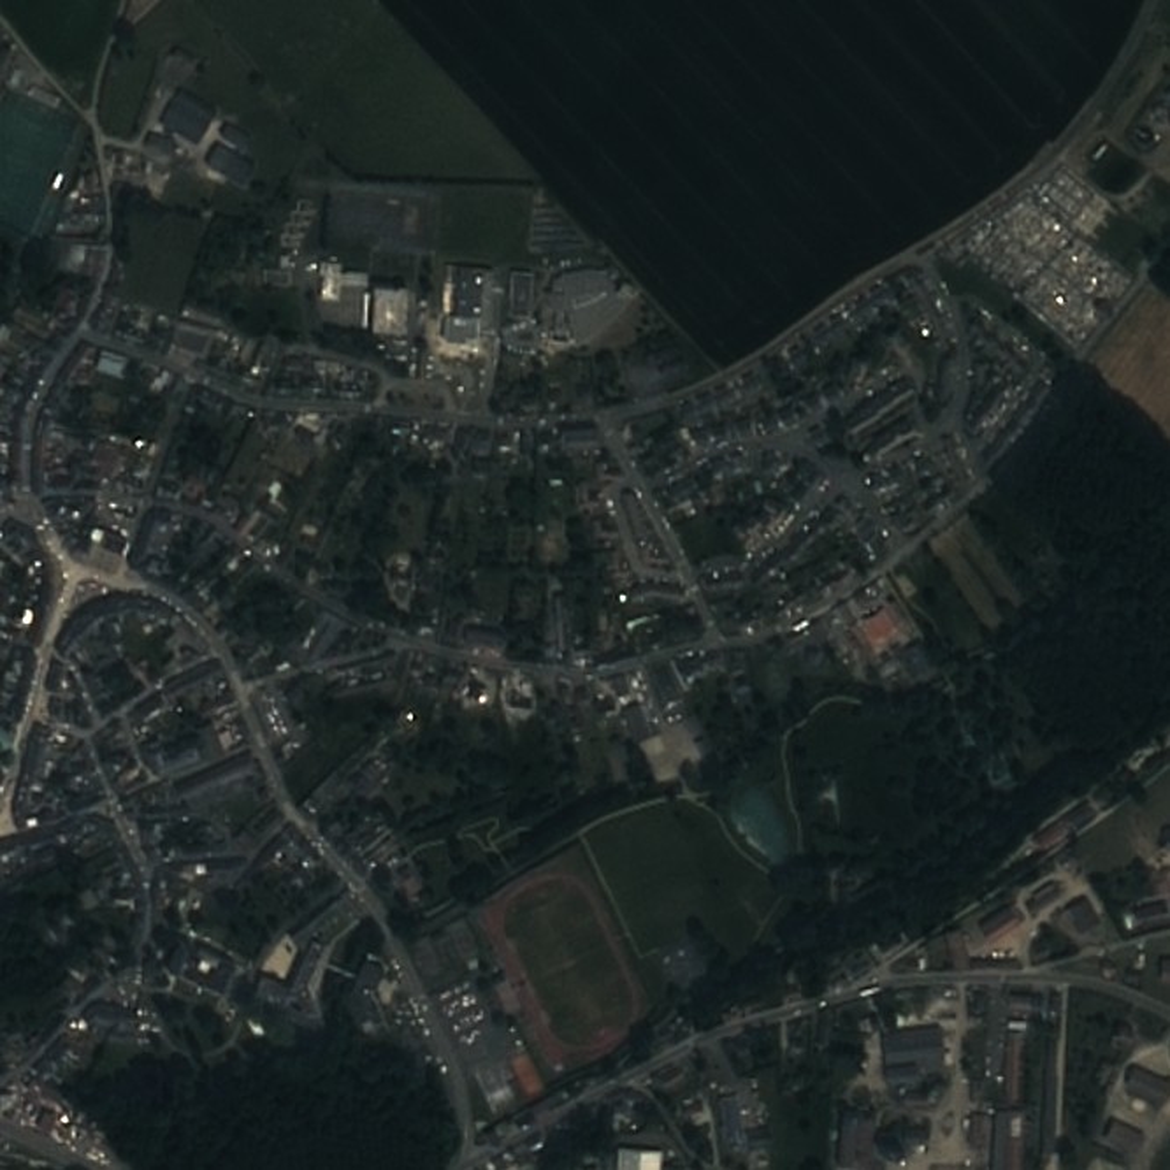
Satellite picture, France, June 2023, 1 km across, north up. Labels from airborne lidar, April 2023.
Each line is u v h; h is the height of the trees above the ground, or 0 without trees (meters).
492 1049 0
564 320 0
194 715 7
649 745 0
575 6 0
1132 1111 0
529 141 0
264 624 18
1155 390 0
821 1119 0
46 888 0
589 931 0
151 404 10
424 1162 21
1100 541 14
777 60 0
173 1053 0
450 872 0
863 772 0
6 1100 0
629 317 0
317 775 0
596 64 0
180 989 0
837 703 0
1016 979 0
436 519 7
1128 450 8
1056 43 0
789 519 0
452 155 0
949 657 20
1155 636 33
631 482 0
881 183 0
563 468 11
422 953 0
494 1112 0
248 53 0
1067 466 31
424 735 0
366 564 15
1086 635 39
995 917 0
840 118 0
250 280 0
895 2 0
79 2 0
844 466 0
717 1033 0
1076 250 0
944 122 0
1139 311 0
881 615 0
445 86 0
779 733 10
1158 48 0
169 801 0
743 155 0
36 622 0
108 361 0
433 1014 0
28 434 0
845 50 0
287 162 0
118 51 11
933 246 0
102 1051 7
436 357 0
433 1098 14
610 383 8
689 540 0
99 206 0
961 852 22
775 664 0
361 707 0
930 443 0
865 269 0
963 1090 0
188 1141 21
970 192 0
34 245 15
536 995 0
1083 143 0
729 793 11
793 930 23
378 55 0
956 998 0
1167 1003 0
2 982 17
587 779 0
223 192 0
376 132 0
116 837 0
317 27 0
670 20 0
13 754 12
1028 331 0
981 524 15
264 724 0
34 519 0
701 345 0
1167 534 20
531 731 0
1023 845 0
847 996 0
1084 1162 0
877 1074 0
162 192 0
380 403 0
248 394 0
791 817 0
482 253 0
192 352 0
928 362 0
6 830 0
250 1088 25
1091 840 0
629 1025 0
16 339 0
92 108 0
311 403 0
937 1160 0
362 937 15
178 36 0
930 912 0
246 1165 20
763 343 0
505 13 0
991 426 0
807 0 0
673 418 7
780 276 0
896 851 8
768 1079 0
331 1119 27
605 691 0
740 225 0
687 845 0
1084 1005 0
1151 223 0
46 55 0
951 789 17
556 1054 0
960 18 0
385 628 0
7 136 0
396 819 11
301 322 0
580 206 0
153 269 0
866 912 19
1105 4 0
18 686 0
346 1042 23
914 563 0
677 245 0
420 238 0
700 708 17
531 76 0
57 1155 0
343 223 0
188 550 12
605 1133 18
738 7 0
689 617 13
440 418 0
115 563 0
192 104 0
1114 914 8
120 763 0
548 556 0
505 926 0
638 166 0
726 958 14
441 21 0
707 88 0
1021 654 33
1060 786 16
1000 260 0
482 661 0
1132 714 28
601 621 0
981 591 0
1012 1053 0
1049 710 22
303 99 0
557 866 0
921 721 18
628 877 0
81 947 20
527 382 8
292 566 6
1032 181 0
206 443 12
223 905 11
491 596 0
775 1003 0
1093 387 29
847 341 0
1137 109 0
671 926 0
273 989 0
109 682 19
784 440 0
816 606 0
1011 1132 0
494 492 0
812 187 0
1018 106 0
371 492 8
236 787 0
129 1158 6
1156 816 0
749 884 0
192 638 0
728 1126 0
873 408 0
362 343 8
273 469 0
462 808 12
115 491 0
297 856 0
